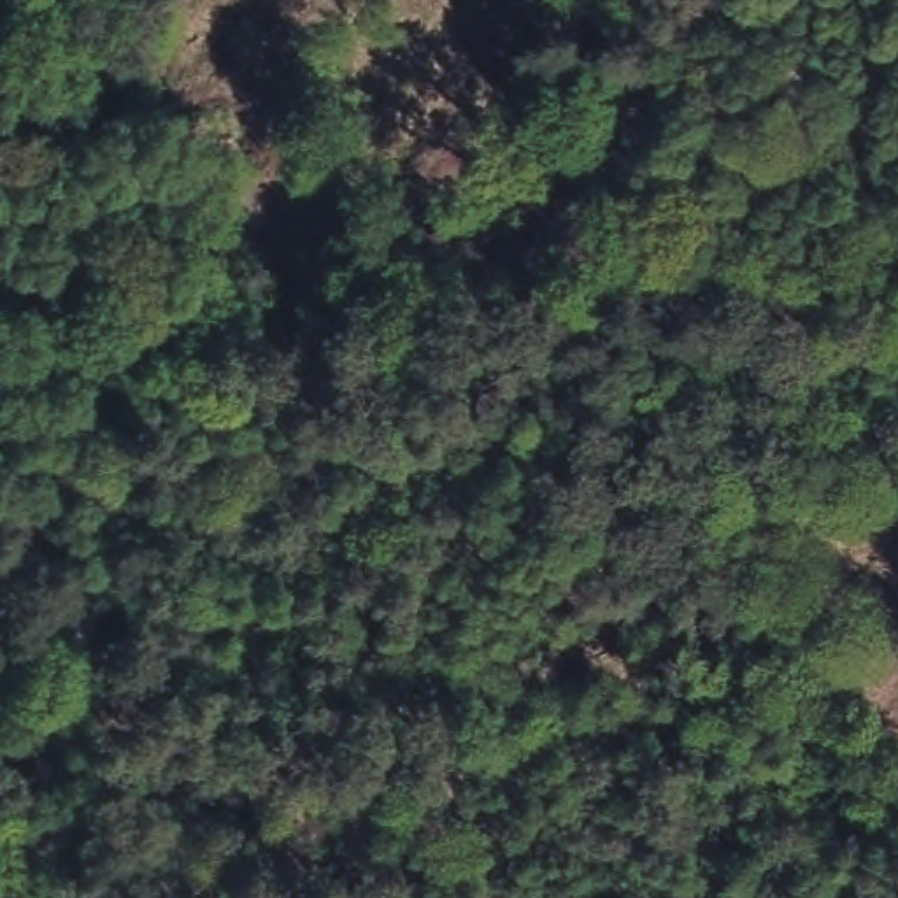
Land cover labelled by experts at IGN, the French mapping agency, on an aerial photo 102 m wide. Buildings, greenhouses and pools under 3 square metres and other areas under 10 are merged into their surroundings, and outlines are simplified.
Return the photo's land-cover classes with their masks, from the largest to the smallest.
<instances>
[{"label":"coniferous trees","instance_id":"1","mask_svg":"<svg viewBox=\"0 0 898 898\"><path fill-rule=\"evenodd\" d=\"M186 39V11L175 0H0V133L18 130L25 144L42 140L60 154H88L98 144L133 147V165H144L161 147L172 119H196L203 112L196 102L147 81V60L158 56L168 63L179 42ZM733 0H533L530 21L519 28L516 67L491 77L481 91L484 119L498 123V133L509 144L516 130L540 109L544 91H575L589 60L614 63L628 56L649 63L656 56L674 53L681 42L702 39L709 32L730 35L733 42H747L754 39V32L726 14ZM298 88L319 91L323 105H340L347 116H365V91L358 74L351 70L344 77H319L312 67L298 77ZM691 84L674 81L666 95H659L652 84L621 91L614 133L603 147V158L593 168L575 175L554 172L547 200L512 203L481 232L445 239L435 232V225L453 210V196L460 189L456 172L442 186L407 189L396 168H382L372 161H344L305 196H291L277 182L260 186L256 168L246 161V151H235V189L249 196V210L239 246L228 249L225 263L232 295L203 302L196 319L175 326L161 344L140 351L126 368L102 382L95 421L91 428L77 431V456L56 477L60 509L53 519H46L42 526L0 523V719L18 716L21 702L32 698L35 681L63 684L70 663L77 656L88 659V712L74 726L46 737V744L25 758L0 754V807L28 796L46 800L56 793L74 810L70 824L25 842V877H49L53 898H512V884H516V877H519L523 870H530V866H537V870H540V880H544V894H540V898H793L800 880L835 873L838 859L852 873L835 898H898V519L870 540L852 544L849 554L838 558V575L824 593L821 610L807 621L800 642L786 645L768 635L744 638L740 624L723 607L737 589L754 593L758 568L772 565L775 554L747 551L737 558H723L719 565H702L698 551L709 537V519L716 516V477L730 467L740 470L744 463H758L765 456L768 431L779 424L775 396H782L803 372L814 368L817 337H824L838 319L835 295H821L814 305H786L747 288L698 281L691 291L670 295H600L593 305V330H568L561 319L551 316L554 305L565 302V295L575 288L582 270L586 207L603 203L610 196L621 200L628 193L631 172L645 165L649 154L666 140V126L684 109ZM165 361L203 365L225 375L214 396L246 403L253 410L249 421L239 428H210L189 417L186 410H175L165 396H144V379H151L154 368H161ZM502 477L523 481V512L509 526L505 547L488 558L481 544L470 537V512L477 509L484 491L495 488ZM340 488H372L375 495L361 512H347L337 530H323L319 516ZM84 495H95L112 509L98 530L102 565L109 572V586L102 593L88 589V582L74 572V554L63 547V533L77 523ZM586 544H603L600 561L586 568L575 582H568L561 603H554L540 617V624L523 635V645L512 656V677L519 681L516 702L495 698L484 688L449 681L463 624L477 614V603L498 600L502 579L512 575L523 558H547V551L575 554ZM200 579L249 582L253 603H277V596H291L295 614L323 607V621L274 631L253 624L196 631L186 624V596L196 589ZM768 656L789 663L807 656L817 674H828V681L838 691L824 695L821 723L831 733L849 737L845 751L835 754L814 740L803 744V758L824 768V789L814 796H793L782 782L737 786L723 800L698 793L695 775L716 779L726 758L716 747H688L684 733L698 719H723L730 730L740 733L751 719L744 674ZM396 789H407L410 803L424 817L410 831L400 859L379 863L372 852L375 831ZM116 225V217H95L91 225L74 228L67 235L74 270L56 298L25 295L0 284V323H21L25 316H39L42 323L63 319L74 326H88L102 295H109V281L91 277V256L109 253V228ZM77 368H53L35 386L0 382V407L18 400L35 407H67V382Z\"/></svg>","mask_w":898,"mask_h":898},{"label":"deciduous trees","instance_id":"2","mask_svg":"<svg viewBox=\"0 0 898 898\"><path fill-rule=\"evenodd\" d=\"M309 42L305 60L312 67L319 77H344L351 70L358 74L368 67L372 49H389L403 42V21H393L386 0H372L365 14L351 25H302ZM726 14L754 32V39L747 42H733L730 35L709 32L702 39L681 42L674 53L656 56L649 63L628 56L614 63L589 60L575 91H544L540 109L516 130L509 144L498 133V123L484 119L470 144V154L456 172L460 189L453 196V210L435 225V232L445 239L481 232L512 203L547 200L554 172L575 175L593 168L603 158V147L614 133L621 91L652 84L659 95H666L674 81L691 84L684 109L666 126V140L649 154L645 165L631 172L628 193L621 200L610 196L603 203L586 207L582 270L575 288L565 295V302L554 305L551 316L561 319L568 330H593V305L600 295H670L691 291L698 281L747 288L786 305H814L821 295H835L838 319L824 337H817L814 368L803 372L782 396H775L779 424L768 431L765 456L758 463H744L740 470L730 467L716 477V516L709 519V537L698 551L702 565H719L723 558H737L747 551L775 554L772 565L758 568L754 593L737 589L723 607L740 624L744 638L768 635L786 645L800 642L807 621L821 610L824 593L838 575V558L849 554L852 544L870 540L898 519V0H733ZM277 182L291 196H305L344 161H372L365 116H347L340 105H323L319 91L298 88L277 109ZM249 210V196L235 189V151L225 133L196 137V119H172L161 147L144 165H133V147L98 144L88 154H60L42 140L25 144L18 130L0 133V284L25 295L56 298L74 270L67 235L74 228L91 225L95 217H116V225L109 228V253L91 256V277L109 281V295H102L88 326H74L63 319L42 323L39 316H25L21 323H0V382L35 386L53 368H77L67 382V407H35L18 400L0 407V523L42 526L46 519H53L60 509L56 477L77 456V431L91 428L95 421L102 382L126 368L140 351L161 344L175 326L196 319L203 302L232 295L225 263L228 249L239 246ZM225 375L203 365L165 361L161 368H154L151 379H144V396H165L175 410H186L189 417L210 428H239L249 421L253 410L246 403L214 396ZM523 481L502 477L495 488L484 491L477 509L470 512V537L481 544L488 558L505 547L509 526L523 512ZM375 495L372 488H340L319 516L323 530H337L347 512H361ZM112 509L95 495H84L77 523L63 533V547L74 554V572L88 582V589L102 593L109 586V572L102 565L98 530ZM603 544H586L575 554L547 551V558H523L512 575L502 579L498 600L477 603V614L463 624L449 681L484 688L495 698L516 702L519 681L512 677V656L523 645V635L540 624V617L554 603H561L568 582H575L586 568L600 561ZM291 596H277V603H253L249 582L200 579L196 589L186 596V624L196 631L253 624L274 631L323 621V607L295 614ZM88 712V659L77 656L70 663L63 684L35 681L32 698L21 702L18 716L0 719V754L25 758L46 744V737L74 726ZM751 719L740 733L730 730L723 719H698L684 733L688 747H716L726 758L716 779L695 775L698 793L723 800L737 786L782 782L793 796H814L824 789V768L803 758V744L814 740L835 754L845 751L849 737L831 733L821 723L824 695L838 691L828 681V674H817L807 656L789 663L768 656L744 674ZM424 817L410 803L407 789H396L375 831L372 852L379 863L400 859L410 831ZM74 810L56 793L46 800L28 796L0 807V898H53L49 877H25V842L70 824ZM852 873L838 859L835 873L800 880L793 898H835ZM540 894H544V880H540V870H537V866H530V870H523L519 877H516V884H512V898H540Z\"/></svg>","mask_w":898,"mask_h":898},{"label":"herbaceous vegetation","instance_id":"3","mask_svg":"<svg viewBox=\"0 0 898 898\"><path fill-rule=\"evenodd\" d=\"M186 11V39L179 42L168 63L158 56L147 60V81L196 102L203 112L196 119V137L225 133L235 151H246V161L256 168L260 186L277 182V109L298 88V77L312 67L305 60L309 42L302 25H351L365 14L372 0H175ZM393 21H403V42L389 49H372L368 67L358 74L365 91V116L372 161L382 168H396L407 189L442 186L456 172L470 154V144L484 119L481 91L491 77L516 67L519 28L530 21L533 0H386Z\"/></svg>","mask_w":898,"mask_h":898}]
</instances>
